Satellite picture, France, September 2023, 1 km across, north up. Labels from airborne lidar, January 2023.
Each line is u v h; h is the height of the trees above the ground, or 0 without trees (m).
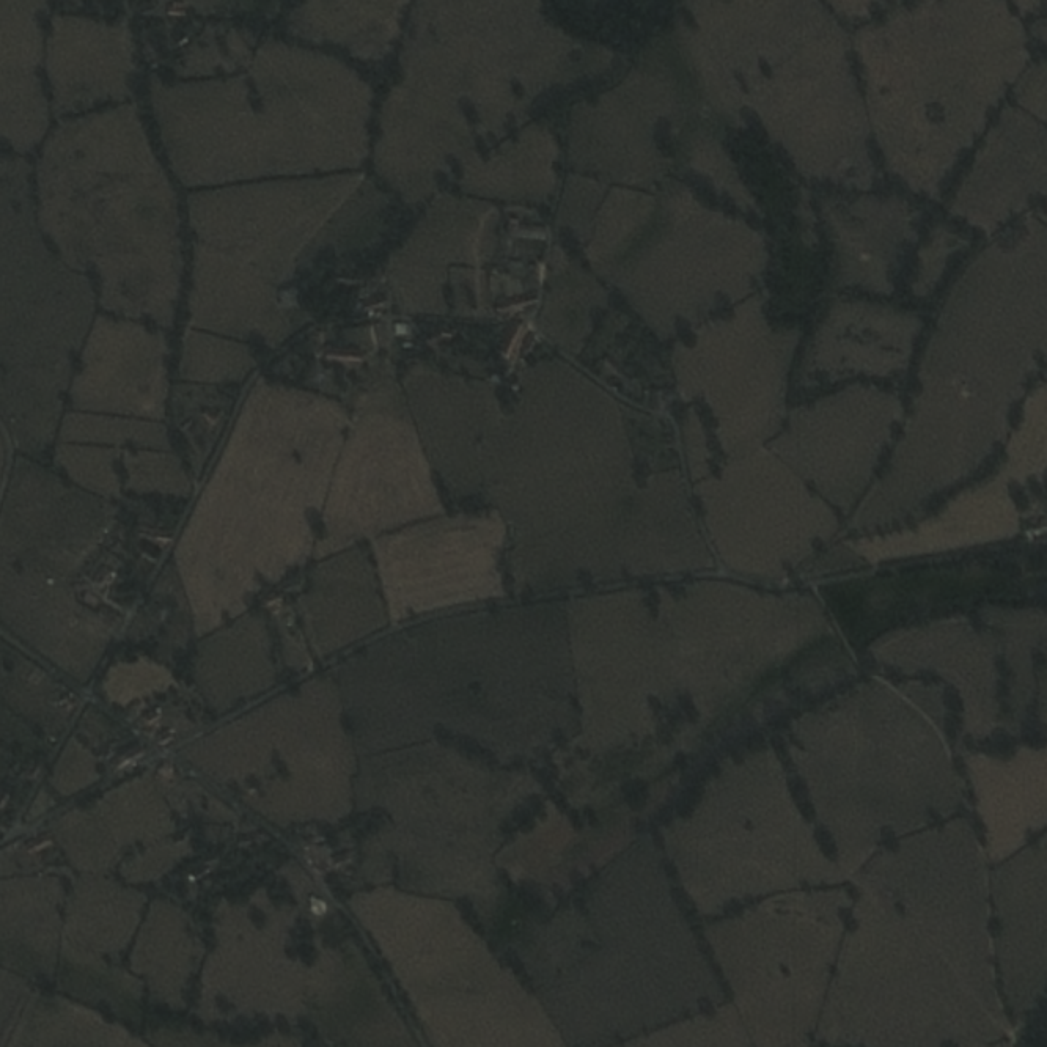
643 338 8
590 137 0
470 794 0
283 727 0
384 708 0
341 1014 0
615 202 0
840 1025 0
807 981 0
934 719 0
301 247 0
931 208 6
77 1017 0
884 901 0
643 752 0
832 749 0
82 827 0
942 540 0
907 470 0
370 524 0
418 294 0
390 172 0
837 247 0
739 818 0
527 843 0
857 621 0
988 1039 0
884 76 0
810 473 0
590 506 0
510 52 0
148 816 0
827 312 0
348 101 0
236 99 0
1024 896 0
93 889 0
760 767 0
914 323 0
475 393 0
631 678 0
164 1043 0
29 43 0
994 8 0
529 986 11
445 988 0
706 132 0
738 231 0
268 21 13
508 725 0
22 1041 0
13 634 0
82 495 0
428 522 0
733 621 0
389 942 0
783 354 0
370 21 0
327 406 0
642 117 0
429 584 0
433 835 0
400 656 0
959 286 0
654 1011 0
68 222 0
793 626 0
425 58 0
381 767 0
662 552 0
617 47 15
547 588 0
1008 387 0
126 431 0
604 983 0
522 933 0
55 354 0
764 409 0
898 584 0
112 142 0
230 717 0
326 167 0
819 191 14
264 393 0
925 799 0
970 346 0
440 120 0
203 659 0
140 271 0
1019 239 0
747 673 0
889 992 0
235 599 0
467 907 17
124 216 0
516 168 0
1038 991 0
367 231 0
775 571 0
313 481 0
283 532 0
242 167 0
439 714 0
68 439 0
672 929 0
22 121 0
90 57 0
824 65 0
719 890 0
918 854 0
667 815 9
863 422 0
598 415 0
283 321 0
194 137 0
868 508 0
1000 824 0
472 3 0
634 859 0
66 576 0
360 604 0
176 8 0
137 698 0
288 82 0
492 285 0
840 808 0
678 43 0
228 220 0
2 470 0
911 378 9
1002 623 0
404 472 0
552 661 0
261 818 0
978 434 0
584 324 0
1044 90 0
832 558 0
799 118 0
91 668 0
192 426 6
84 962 0
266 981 0
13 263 0
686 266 0
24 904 0
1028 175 0
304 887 0
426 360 16
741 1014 0
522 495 0
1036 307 0
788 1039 0
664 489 0
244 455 0
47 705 0
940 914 0
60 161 0
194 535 0
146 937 0
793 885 0
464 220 0
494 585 0
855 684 14
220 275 0
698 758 0
